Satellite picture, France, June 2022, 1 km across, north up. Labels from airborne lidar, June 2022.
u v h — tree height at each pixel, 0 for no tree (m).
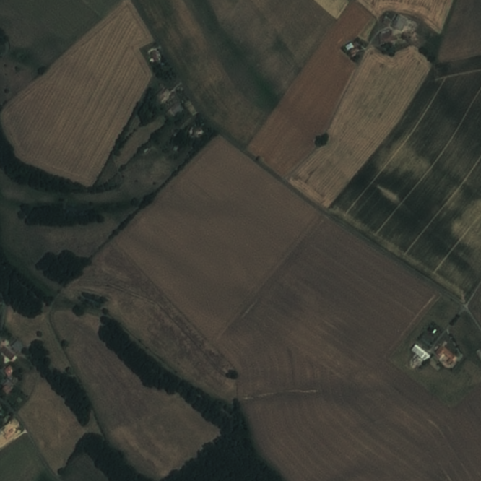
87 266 20
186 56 0
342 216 0
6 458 0
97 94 0
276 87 0
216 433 0
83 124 0
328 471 0
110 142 0
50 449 0
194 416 0
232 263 0
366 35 0
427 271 0
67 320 0
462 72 0
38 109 0
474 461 0
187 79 0
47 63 0
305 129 0
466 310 0
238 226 0
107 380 0
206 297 0
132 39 0
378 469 0
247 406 0
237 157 0
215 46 0
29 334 0
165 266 0
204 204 0
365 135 0
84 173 0
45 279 0
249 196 0
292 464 0
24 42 0
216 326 0
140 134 0
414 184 0
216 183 0
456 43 0
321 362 0
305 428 0
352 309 0
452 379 0
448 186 0
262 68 0
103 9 0
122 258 0
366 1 0
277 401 0
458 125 0
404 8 0
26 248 0
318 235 0
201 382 0
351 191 0
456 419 0
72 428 0
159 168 0
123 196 0
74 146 0
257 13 0
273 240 0
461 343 0
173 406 0
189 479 15
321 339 0
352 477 0
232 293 0
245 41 0
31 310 21
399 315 0
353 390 0
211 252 0
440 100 0
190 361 0
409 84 0
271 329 0
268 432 0
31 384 0
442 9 0
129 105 0
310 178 0
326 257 0
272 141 0
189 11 0
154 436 0
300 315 0
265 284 0
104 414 0
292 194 0
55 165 0
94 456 17
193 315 0
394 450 0
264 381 0
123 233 0
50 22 0
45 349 19
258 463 15
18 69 10
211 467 18
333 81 0
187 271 0
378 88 0
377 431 0
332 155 0
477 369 0
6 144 18
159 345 0
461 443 0
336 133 0
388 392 0
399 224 0
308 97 0
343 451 0
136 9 0
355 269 0
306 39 0
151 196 10
